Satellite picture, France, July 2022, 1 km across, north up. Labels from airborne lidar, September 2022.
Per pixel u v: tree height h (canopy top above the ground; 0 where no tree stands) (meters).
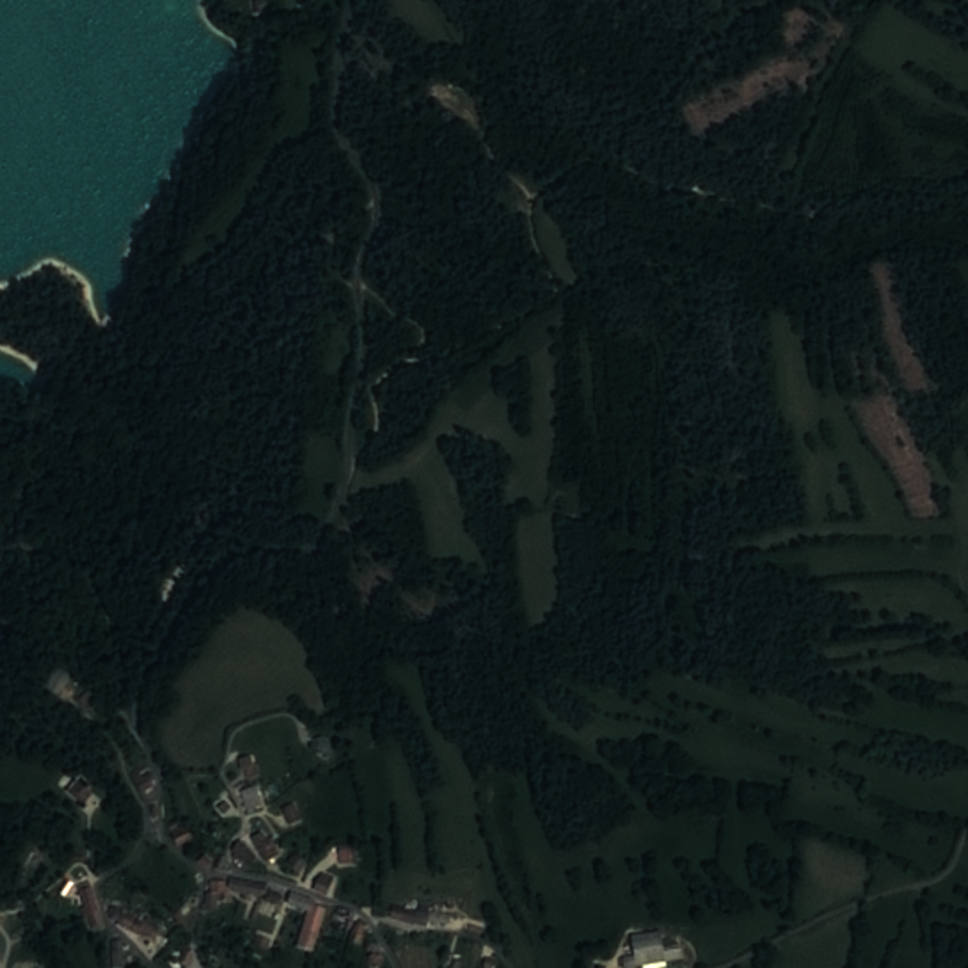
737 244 13
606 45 8
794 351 0
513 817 8
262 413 15
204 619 27
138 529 30
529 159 13
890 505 0
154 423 24
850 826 0
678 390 18
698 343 23
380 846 23
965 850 0
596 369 7
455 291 13
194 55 0
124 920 0
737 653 21
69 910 0
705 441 17
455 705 16
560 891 0
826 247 23
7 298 8
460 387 18
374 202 0
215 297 18
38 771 0
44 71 0
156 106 0
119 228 0
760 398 19
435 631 17
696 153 13
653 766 22
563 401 11
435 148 12
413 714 19
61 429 27
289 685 0
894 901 0
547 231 0
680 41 7
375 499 13
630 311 19
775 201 15
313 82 0
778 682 19
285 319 23
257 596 23
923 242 14
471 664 18
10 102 0
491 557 13
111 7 0
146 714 9
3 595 25
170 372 23
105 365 20
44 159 0
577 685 7
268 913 0
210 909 0
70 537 24
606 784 25
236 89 26
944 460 8
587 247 17
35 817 22
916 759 15
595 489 10
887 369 19
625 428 6
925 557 0
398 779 0
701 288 24
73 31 0
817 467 0
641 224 10
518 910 23
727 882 24
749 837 0
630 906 0
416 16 0
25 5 0
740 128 17
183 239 25
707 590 28
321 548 19
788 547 14
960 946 13
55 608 16
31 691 14
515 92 7
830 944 0
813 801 0
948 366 15
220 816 8
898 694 16
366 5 18
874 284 14
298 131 0
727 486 10
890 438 0
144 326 18
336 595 18
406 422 12
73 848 16
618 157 13
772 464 24
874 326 17
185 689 0
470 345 14
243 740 0
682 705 19
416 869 0
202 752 0
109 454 18
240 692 0
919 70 17
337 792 0
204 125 17
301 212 14
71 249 0
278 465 22
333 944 11
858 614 14
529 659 13
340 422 8
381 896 13
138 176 0
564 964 0
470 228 7
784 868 14
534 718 11
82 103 0
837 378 8
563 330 7
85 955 0
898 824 6
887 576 7
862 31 7
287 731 0
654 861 22
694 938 0
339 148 13
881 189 10
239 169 16
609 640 22
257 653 0
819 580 14
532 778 20
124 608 24
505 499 21
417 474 0
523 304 17
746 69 9
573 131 20
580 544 18
